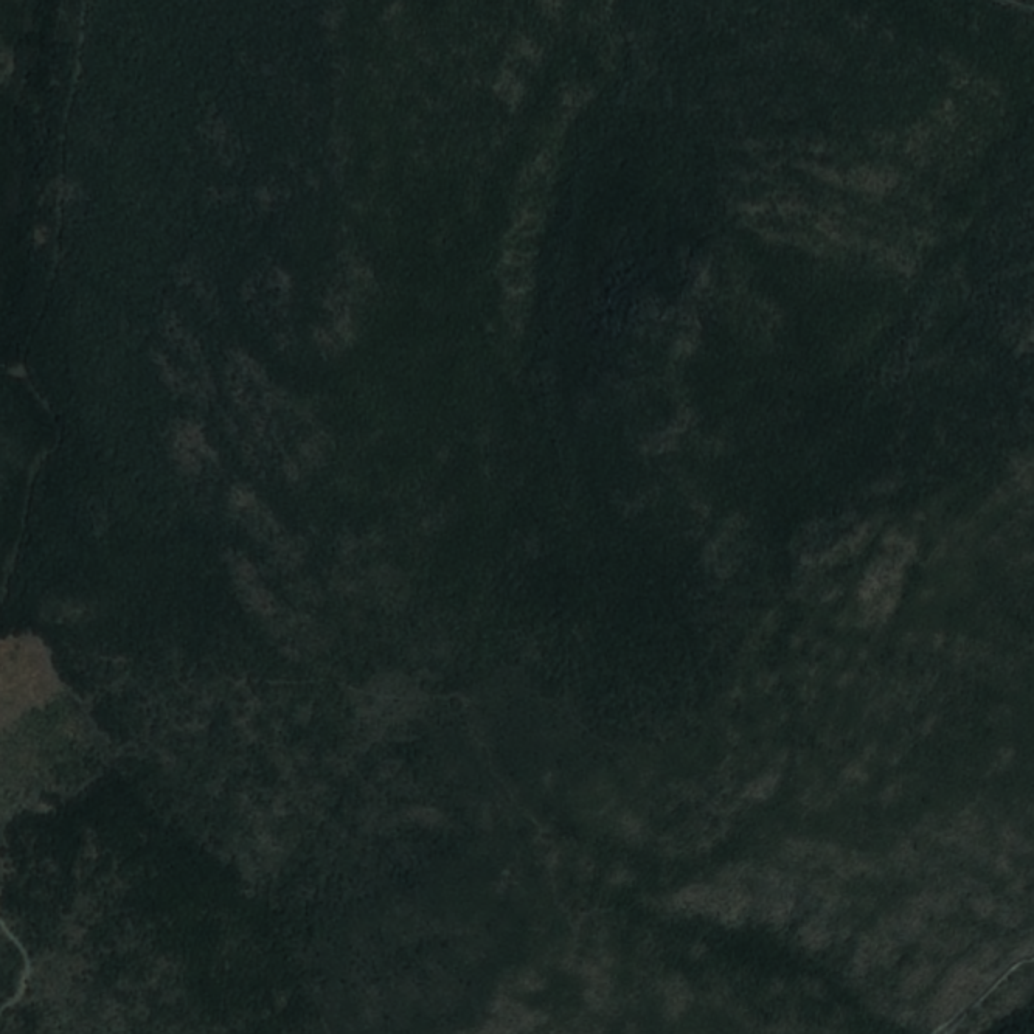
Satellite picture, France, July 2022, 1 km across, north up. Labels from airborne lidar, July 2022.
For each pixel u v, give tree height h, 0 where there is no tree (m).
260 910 8
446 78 5
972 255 7
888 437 6
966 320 6
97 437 8
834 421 6
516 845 0
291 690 6
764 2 6
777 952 8
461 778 0
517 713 0
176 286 5
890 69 6
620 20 7
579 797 0
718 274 6
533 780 0
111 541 7
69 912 7
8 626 7
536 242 7
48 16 11
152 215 6
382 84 6
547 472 6
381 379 6
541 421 7
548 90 6
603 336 6
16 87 6
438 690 5
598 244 7
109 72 6
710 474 6
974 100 6
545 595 7
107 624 6
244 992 6
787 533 6
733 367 7
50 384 6
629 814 0
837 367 7
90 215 6
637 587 6
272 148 6
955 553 0
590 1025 0
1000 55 7
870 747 0
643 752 0
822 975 7
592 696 5
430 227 8
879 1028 7
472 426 6
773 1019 7
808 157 5
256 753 6
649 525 5
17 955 6
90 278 7
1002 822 0
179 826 5
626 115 5
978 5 7
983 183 6
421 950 6
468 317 6
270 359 6
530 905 0
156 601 6
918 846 7
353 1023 0
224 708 6
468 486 5
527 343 5
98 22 6
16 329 6
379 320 7
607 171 6
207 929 7
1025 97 7
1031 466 0
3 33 8
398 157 6
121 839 7
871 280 6
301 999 8
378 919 0
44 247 8
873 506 6
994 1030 12
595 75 7
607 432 6
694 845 5
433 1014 0
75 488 7
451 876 0
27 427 6
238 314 5
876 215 6
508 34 5
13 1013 6
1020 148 6
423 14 5
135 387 6
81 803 8
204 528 6
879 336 8
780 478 5
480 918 0
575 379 6
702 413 6
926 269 8
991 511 0
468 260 7
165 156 6
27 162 7
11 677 0
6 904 6
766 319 8
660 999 0
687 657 6
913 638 0
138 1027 6
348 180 6
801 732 6
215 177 5
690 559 6
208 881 9
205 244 6
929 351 6
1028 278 5
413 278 8
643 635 5
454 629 6
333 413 6
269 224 6
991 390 6
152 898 6
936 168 7
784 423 5
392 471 6
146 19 6
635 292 7
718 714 0
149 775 6
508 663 6
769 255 7
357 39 6
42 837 6
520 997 0
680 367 6
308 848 7
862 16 5
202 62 6
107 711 6
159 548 7
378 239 5
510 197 6
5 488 6
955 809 0
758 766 0
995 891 7
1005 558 0
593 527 5
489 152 6
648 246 6
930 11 6
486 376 6
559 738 0
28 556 6
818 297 6
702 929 7
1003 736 0
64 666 6
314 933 7
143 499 6
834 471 6
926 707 7
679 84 6
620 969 0
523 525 6
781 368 6
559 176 9
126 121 6
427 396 6
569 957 0
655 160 5
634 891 6
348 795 7
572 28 6
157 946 6
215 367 6
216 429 6
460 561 6
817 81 5
